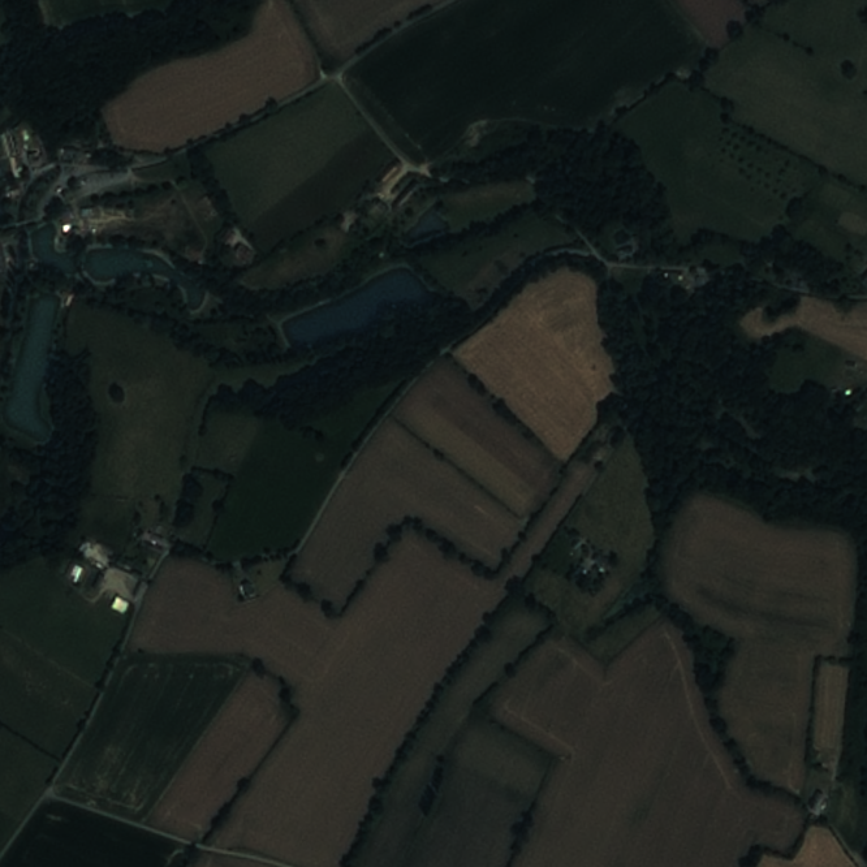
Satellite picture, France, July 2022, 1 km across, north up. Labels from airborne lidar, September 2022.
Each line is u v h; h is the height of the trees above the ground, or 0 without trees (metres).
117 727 0
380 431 0
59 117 11
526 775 0
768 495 13
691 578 0
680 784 0
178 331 17
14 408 0
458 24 0
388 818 0
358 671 0
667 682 0
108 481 0
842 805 0
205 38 18
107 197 9
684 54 0
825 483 19
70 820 0
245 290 10
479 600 0
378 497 0
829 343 0
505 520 0
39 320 0
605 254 9
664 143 0
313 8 0
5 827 0
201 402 0
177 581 0
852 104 0
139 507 6
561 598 0
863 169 0
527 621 0
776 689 0
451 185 8
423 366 12
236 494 0
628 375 28
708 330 16
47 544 15
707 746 0
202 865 0
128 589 0
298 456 0
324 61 7
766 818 0
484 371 0
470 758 0
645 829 0
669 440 24
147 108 0
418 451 0
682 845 0
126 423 0
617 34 0
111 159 11
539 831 0
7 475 0
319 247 10
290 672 0
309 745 0
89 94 16
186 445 0
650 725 0
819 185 0
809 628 0
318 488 0
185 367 0
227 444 0
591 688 0
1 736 0
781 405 20
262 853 0
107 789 0
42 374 0
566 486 0
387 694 0
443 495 0
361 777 0
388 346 24
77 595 0
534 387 0
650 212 20
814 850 0
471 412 0
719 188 0
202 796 0
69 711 0
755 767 0
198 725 0
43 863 0
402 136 0
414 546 0
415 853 0
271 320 0
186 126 0
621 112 12
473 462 0
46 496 23
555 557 0
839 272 10
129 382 0
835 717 0
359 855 12
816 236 0
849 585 0
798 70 0
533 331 0
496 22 0
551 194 29
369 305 0
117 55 28
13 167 0
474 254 0
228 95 0
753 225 0
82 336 0
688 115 0
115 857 0
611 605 0
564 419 0
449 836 0
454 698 0
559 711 0
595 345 0
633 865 0
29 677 0
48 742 0
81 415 17
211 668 0
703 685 20
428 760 0
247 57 0
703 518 0
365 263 8
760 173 6
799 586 0
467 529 0
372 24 0
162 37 23
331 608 19
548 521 0
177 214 0
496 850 0
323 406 19
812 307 0
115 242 15
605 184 32
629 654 0
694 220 0
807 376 0
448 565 0
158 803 0
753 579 0
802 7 0
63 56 16
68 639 0
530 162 22
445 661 0
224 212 10
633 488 0
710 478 14
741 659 0
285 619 0
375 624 0
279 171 0
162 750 0
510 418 14
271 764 0
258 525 0
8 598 0
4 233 7
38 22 18
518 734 0
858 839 0
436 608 0
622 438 11
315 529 0
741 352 15
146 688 0
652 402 22
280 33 0
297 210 0
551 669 0
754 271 9
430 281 9
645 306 21
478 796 0
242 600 8
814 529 0
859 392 7
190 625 0
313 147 0
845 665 7
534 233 0
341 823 0
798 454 11
